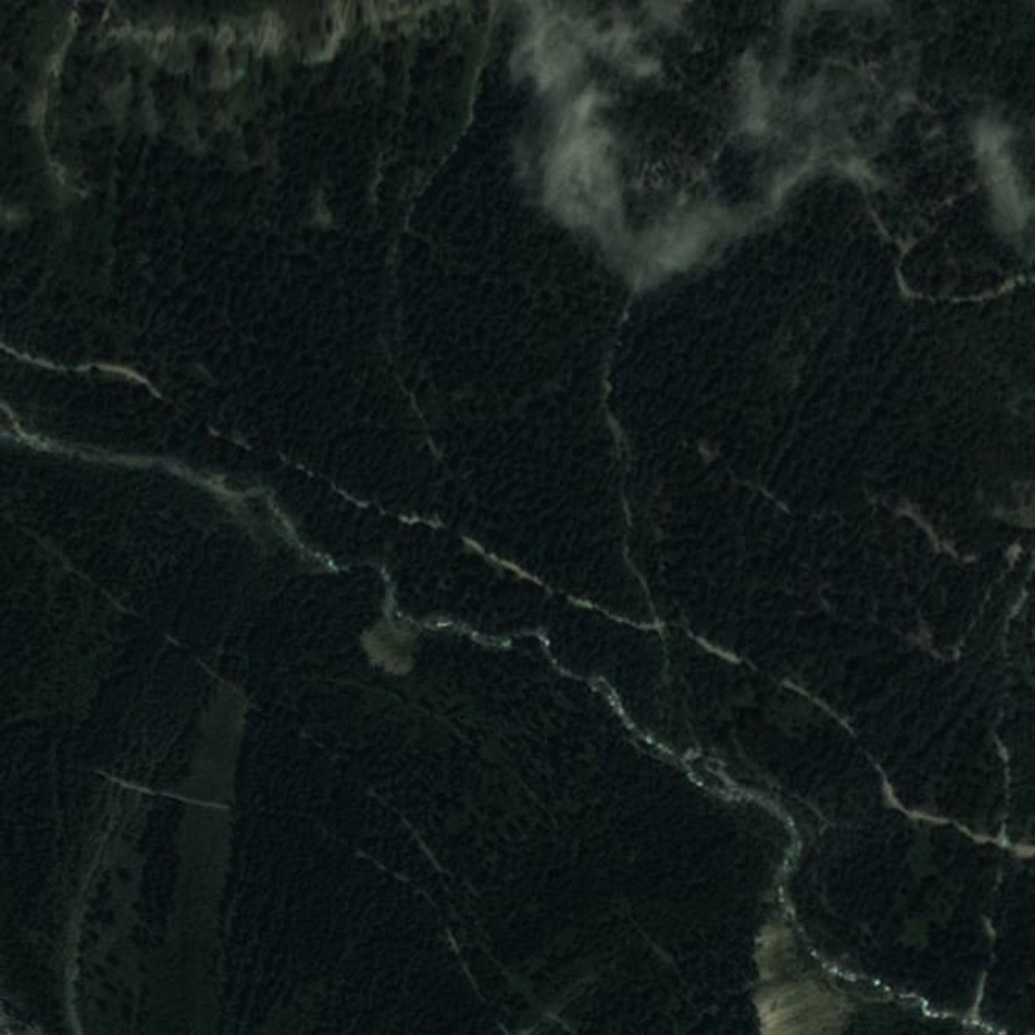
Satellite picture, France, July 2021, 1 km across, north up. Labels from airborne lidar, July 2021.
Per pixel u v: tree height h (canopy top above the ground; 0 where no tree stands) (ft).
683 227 26
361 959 31
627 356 33
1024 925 65
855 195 20
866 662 45
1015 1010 55
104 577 19
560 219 59
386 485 65
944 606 77
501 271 52
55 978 43
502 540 80
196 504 25
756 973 56
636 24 21
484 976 59
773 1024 0
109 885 37
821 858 43
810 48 62
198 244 67
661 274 73
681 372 99
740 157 80
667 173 41
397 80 53
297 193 75
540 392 68
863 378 77
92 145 75
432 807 62
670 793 77
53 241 36
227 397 88
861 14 69
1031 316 39
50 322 37
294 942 53
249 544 44
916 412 64
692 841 73
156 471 23
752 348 19
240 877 65
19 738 52
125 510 31
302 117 101
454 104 42
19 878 22
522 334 48
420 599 67
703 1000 72
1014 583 30
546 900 66
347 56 135
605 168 41
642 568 35
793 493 74
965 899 37
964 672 29
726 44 68
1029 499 35
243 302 59
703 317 35
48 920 19
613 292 70
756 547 69
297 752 82
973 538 47
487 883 84
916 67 45
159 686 39
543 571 94
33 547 28
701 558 57
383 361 30
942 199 68
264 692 44
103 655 23
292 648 82
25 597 25
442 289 84
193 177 87
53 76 0
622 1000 38
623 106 26
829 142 41
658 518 30
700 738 18
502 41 24
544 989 25
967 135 83
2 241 63
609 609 44
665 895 52
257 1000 37
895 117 34
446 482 22
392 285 26
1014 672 74
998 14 50
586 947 26
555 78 86
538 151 58
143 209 74
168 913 73
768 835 23
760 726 51
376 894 57
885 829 57
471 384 24
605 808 54
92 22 42
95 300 31
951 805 49
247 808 71
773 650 59
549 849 52
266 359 100
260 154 58
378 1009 76
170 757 27
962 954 81
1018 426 53
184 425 23
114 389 39
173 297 50
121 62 41
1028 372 36
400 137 32
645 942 34
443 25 31
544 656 73
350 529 31
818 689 29
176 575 57
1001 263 18
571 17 23
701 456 76
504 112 76
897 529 72
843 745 63
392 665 0
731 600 36
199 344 88
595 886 56
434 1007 42
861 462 58
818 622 56
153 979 20
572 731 22
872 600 69
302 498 64
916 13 58
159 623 59
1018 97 83
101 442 29
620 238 77
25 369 28
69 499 44
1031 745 42
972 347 56
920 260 60
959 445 55
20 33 19
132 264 39
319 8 29
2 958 22
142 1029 18
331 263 88
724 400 54
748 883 37
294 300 84
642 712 61
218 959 56
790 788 53
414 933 57
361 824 56
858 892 41
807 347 45
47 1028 25
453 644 20
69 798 59
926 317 59
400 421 43
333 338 70
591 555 83
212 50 49
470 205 28
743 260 59
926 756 67
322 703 30
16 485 43
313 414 79
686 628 21
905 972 68
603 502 73
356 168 64
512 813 20
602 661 63
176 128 25
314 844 65
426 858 45
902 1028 41
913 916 38
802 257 39
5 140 61
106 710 51
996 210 35
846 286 22
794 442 28
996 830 26
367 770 76
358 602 30
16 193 58
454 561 26
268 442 85
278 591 46
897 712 72
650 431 35
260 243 77
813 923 43
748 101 37
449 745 21
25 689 27
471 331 80
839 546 43
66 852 32
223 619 65
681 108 62
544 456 57
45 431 29
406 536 35
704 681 72
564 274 41
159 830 58
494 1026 76
